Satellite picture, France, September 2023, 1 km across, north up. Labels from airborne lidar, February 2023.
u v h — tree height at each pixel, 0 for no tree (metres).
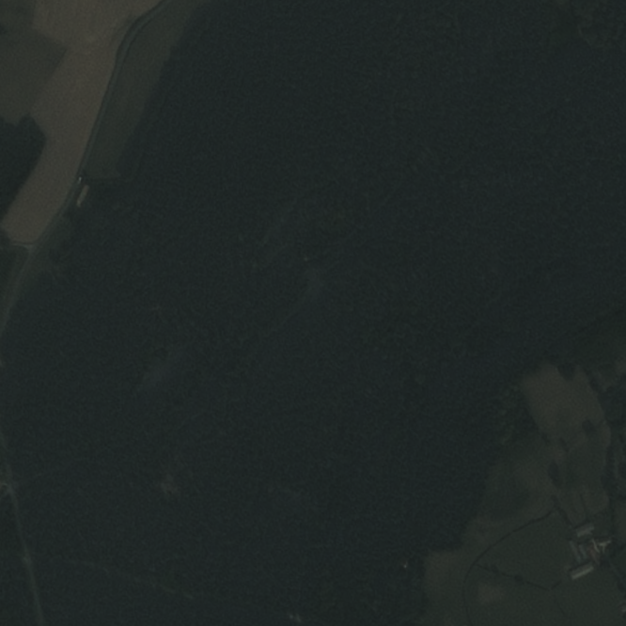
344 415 26
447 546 20
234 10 28
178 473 21
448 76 14
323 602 22
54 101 0
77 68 0
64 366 28
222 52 25
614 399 16
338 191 24
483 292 30
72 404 28
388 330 19
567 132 26
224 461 30
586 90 7
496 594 0
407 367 16
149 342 19
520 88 49
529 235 28
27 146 18
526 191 23
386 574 20
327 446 40
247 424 28
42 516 25
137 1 0
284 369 25
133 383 22
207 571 32
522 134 29
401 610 28
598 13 33
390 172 22
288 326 21
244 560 41
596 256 25
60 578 24
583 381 0
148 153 26
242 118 21
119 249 23
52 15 0
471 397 28
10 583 10
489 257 27
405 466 25
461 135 22
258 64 22
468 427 23
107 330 22
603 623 0
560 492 0
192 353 24
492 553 0
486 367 33
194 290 21
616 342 0
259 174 19
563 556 0
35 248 0
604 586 0
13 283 0
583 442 0
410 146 10
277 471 19
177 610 23
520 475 0
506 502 0
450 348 15
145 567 25
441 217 26
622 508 0
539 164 10
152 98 16
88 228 26
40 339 28
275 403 24
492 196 23
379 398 23
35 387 31
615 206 28
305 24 26
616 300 22
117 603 25
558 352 29
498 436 25
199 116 28
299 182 20
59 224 0
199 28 18
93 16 0
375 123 28
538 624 0
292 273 18
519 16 23
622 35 34
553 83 35
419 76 20
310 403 30
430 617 0
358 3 27
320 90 27
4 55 0
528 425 16
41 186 0
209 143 25
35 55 0
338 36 26
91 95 0
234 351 16
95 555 25
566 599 0
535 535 0
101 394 31
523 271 18
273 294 25
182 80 25
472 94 23
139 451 21
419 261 28
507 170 25
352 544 19
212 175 24
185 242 25
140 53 0
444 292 34
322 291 9
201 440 24
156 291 20
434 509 29
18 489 28
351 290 29
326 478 24
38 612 0
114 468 20
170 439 18
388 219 26
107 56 0
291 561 37
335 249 23
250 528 24
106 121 0
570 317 35
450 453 31
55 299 31
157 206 26
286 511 28
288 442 29
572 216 27
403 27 11
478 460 31
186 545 24
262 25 29
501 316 30
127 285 20
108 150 0
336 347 30
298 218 17
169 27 0
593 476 0
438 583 0
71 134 0
